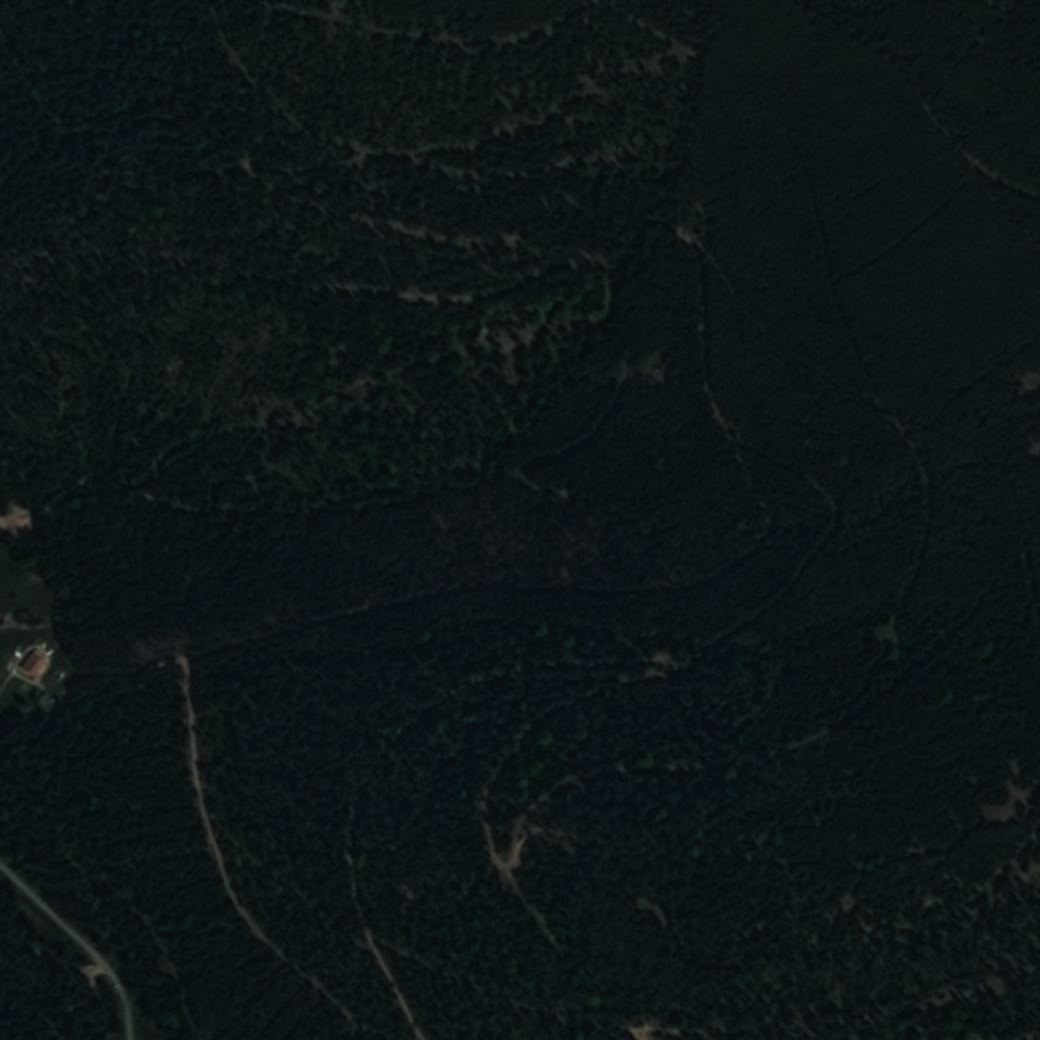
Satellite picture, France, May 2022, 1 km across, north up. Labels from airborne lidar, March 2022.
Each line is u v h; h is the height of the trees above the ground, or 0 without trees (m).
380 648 19
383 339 16
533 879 16
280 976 17
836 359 20
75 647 22
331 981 8
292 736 26
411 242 12
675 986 29
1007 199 17
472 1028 29
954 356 16
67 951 16
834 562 19
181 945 14
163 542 20
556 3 11
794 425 19
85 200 27
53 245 27
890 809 8
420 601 19
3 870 0
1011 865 8
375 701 29
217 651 17
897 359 20
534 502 13
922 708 18
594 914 30
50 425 8
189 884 14
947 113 14
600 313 19
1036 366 17
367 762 27
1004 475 20
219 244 23
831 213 18
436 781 17
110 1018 10
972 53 13
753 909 21
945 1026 24
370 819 27
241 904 13
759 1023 34
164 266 29
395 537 22
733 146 18
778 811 11
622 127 27
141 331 31
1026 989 34
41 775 20
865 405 19
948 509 19
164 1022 25
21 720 22
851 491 22
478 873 32
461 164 14
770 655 14
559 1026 26
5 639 0
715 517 16
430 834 29
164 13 30
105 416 14
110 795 18
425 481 12
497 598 22
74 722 23
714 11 20
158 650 25
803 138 18
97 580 21
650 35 11
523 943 14
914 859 13
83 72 35
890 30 17
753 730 8
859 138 18
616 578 26
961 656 16
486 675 28
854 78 18
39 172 27
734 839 9
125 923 21
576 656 33
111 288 29
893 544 21
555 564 22
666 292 15
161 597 17
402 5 13
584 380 13
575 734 26
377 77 6
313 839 30
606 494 18
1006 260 19
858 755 14
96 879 22
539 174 21
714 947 23
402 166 18
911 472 20
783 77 17
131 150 27
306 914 8
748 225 18
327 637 20
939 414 20
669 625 19
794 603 17
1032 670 13
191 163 24
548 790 15
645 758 19
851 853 12
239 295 18
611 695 9
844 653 15
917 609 13
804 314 17
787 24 17
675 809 30
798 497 21
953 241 18
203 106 16
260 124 15
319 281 19
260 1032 12
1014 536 20
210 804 12
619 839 29
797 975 27
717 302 18
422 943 14
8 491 9
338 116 10
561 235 23
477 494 25
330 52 6
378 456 28
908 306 19
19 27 28
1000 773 8
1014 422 17
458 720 11
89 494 20
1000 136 13
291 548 16
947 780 11
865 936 9
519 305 19
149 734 17
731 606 15
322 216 15
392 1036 8
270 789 32
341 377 16
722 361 17
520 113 11
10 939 31
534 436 21
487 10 13
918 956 32
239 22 15
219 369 6
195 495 11
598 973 27
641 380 12
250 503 15
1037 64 11
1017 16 11
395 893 18
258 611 23
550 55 10
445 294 16
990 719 10
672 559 23
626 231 11
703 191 20
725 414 16
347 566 21
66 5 31
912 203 17
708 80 21
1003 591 12
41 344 31
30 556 22
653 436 18
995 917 30
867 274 17
